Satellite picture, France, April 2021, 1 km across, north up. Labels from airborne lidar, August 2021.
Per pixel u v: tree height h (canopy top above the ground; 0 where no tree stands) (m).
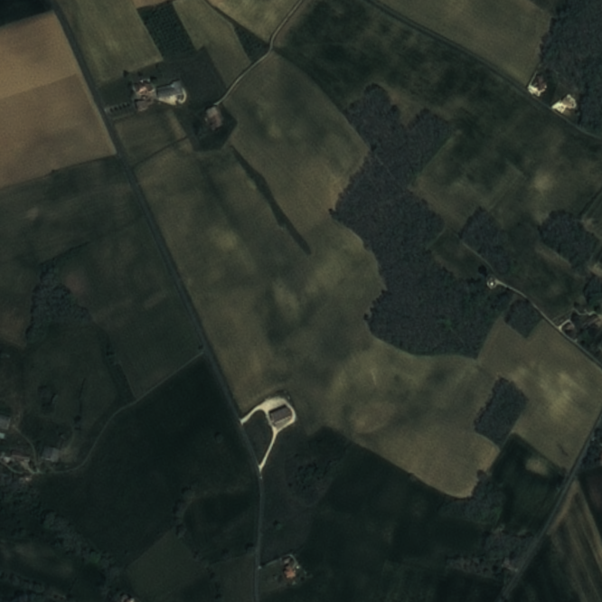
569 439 0
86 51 0
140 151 0
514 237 0
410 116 0
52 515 12
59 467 8
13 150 0
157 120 0
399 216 20
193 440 0
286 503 0
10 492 11
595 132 15
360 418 0
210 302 0
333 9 0
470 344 20
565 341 0
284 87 0
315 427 0
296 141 0
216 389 0
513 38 0
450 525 0
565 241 21
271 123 0
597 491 0
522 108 0
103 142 0
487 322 19
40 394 8
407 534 0
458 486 0
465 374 0
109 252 0
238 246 0
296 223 0
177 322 0
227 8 0
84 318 15
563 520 0
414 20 0
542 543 0
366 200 18
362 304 0
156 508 0
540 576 0
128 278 0
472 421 0
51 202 0
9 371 0
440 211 0
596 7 20
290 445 0
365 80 0
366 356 0
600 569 0
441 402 0
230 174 0
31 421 0
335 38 0
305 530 0
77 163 0
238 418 0
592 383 0
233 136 0
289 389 0
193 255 0
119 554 0
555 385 0
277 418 0
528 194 0
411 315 18
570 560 0
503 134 0
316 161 0
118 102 0
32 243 0
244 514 0
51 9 0
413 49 0
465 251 0
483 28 0
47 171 0
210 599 0
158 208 0
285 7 0
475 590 0
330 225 0
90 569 0
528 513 0
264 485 0
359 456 0
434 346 20
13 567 0
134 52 0
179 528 10
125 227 0
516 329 16
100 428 0
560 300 0
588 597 0
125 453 0
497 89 0
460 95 0
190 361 0
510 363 0
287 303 0
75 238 0
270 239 0
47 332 12
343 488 0
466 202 0
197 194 0
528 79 0
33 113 0
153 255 0
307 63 0
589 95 22
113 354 7
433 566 0
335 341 0
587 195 0
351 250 0
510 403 20
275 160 0
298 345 0
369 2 0
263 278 0
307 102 0
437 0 0
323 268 0
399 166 14
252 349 0
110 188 0
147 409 0
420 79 0
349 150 0
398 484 0
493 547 15
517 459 0
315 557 0
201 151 0
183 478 0
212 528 0
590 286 16
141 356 0
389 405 0
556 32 17
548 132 0
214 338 0
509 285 0
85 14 0
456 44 0
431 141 17
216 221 0
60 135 0
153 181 0
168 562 0
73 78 0
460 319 18
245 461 0
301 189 0
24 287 0
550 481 0
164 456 0
